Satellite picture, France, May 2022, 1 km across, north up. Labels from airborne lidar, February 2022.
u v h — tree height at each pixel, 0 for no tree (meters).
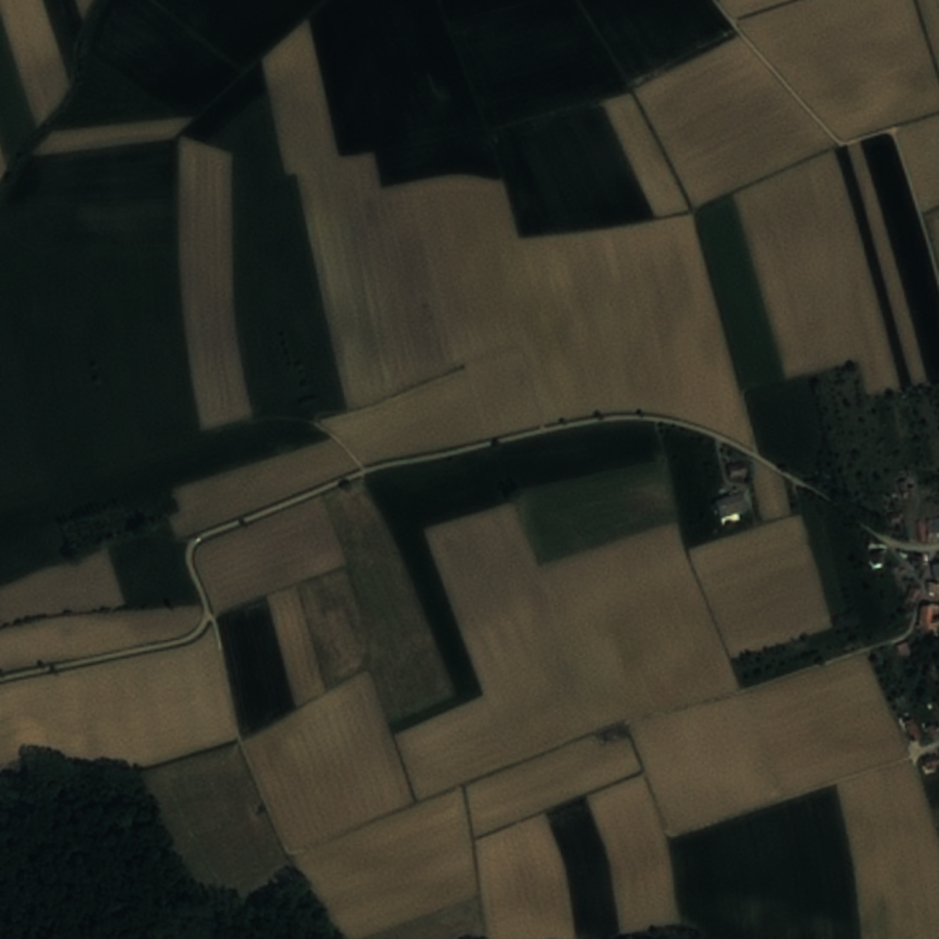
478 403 0
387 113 0
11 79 0
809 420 0
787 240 0
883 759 0
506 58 0
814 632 0
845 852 0
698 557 0
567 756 0
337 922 0
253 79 0
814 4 0
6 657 0
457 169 0
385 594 0
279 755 0
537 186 0
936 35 0
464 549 0
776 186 0
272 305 0
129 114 0
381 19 0
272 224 0
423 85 0
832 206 0
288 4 0
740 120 0
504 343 0
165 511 0
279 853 0
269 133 0
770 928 0
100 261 0
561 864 0
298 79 0
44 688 0
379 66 0
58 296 0
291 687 0
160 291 0
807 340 0
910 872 0
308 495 0
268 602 0
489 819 0
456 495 0
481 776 0
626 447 0
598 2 0
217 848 0
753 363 0
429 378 0
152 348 0
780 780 0
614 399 0
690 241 0
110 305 0
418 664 0
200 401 0
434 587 0
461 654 0
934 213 0
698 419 0
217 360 0
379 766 0
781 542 0
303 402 6
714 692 0
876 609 0
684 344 0
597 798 0
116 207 0
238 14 0
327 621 0
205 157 0
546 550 0
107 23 0
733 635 0
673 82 0
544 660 0
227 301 0
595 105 0
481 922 0
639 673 0
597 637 0
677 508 0
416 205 0
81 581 0
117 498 0
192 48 0
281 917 26
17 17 0
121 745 0
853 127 0
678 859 0
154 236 0
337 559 0
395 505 0
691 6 0
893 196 0
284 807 0
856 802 0
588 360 0
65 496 0
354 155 0
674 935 19
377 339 0
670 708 0
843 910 0
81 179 0
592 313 0
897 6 0
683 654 0
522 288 0
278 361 0
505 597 0
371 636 0
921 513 0
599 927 0
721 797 0
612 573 0
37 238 0
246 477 0
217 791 0
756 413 0
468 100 0
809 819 0
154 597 0
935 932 0
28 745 0
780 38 0
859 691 0
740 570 0
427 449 0
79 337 0
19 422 0
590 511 0
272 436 0
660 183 0
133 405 0
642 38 0
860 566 10
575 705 0
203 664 0
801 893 0
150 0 0
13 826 29
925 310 0
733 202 0
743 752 0
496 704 0
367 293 0
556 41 0
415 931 0
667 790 0
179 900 26
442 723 0
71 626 0
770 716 0
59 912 34
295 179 0
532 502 0
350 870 0
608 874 0
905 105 0
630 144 0
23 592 0
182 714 0
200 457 0
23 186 0
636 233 0
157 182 0
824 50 0
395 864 0
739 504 0
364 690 0
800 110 0
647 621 0
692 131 0
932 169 0
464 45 0
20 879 29
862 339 0
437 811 0
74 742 0
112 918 27
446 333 0
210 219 0
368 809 0
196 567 0
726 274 0
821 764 0
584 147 0
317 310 0
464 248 0
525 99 0
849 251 0
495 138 0
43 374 0
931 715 0
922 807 0
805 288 0
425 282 0
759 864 0
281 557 0
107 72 0
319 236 0
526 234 0
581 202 0
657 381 0
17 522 0
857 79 0
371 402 0
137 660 0
